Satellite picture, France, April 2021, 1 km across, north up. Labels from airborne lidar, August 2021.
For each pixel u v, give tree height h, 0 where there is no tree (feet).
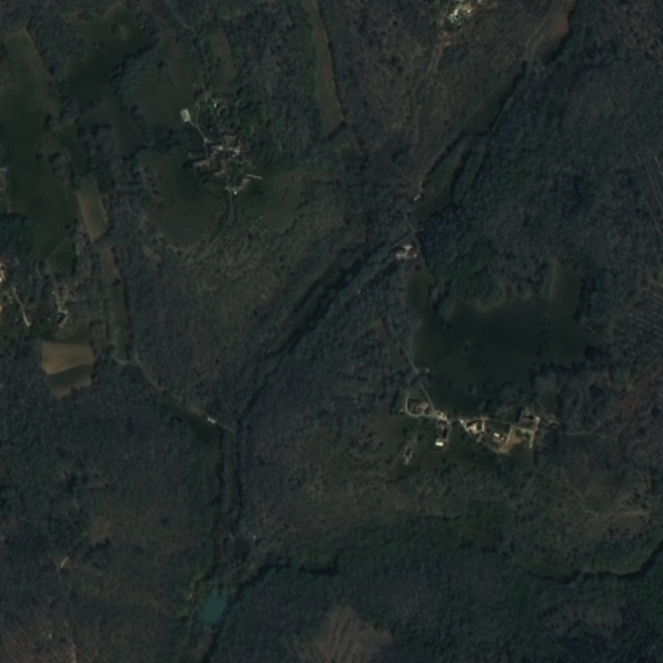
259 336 73
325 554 60
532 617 68
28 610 67
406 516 39
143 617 50
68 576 62
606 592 71
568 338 0
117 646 45
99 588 43
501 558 56
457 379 0
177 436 56
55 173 36
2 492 45
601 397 69
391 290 53
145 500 49
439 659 61
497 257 62
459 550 66
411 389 48
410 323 64
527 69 56
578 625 24
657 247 39
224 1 54
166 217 0
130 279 64
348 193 58
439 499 61
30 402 59
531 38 53
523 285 58
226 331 53
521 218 51
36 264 29
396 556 57
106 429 57
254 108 40
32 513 76
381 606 52
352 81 42
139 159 26
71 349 0
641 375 21
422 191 27
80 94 0
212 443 0
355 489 26
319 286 38
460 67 42
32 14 47
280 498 29
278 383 41
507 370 0
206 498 54
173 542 36
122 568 68
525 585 70
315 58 58
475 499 52
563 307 0
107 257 0
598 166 62
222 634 74
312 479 31
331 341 49
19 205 0
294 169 54
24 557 78
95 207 0
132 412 50
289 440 29
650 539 60
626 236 32
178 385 30
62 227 0
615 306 38
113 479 75
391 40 20
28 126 0
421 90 35
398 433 0
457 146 61
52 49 71
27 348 31
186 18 71
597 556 61
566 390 56
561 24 0
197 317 47
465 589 51
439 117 34
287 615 53
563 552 47
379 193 38
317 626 55
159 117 0
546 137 58
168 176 0
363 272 79
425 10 41
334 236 60
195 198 0
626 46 46
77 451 60
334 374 55
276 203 0
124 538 46
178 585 73
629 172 40
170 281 45
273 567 32
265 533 31
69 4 62
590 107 51
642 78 63
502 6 52
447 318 27
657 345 28
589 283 27
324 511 37
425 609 44
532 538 52
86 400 65
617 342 32
